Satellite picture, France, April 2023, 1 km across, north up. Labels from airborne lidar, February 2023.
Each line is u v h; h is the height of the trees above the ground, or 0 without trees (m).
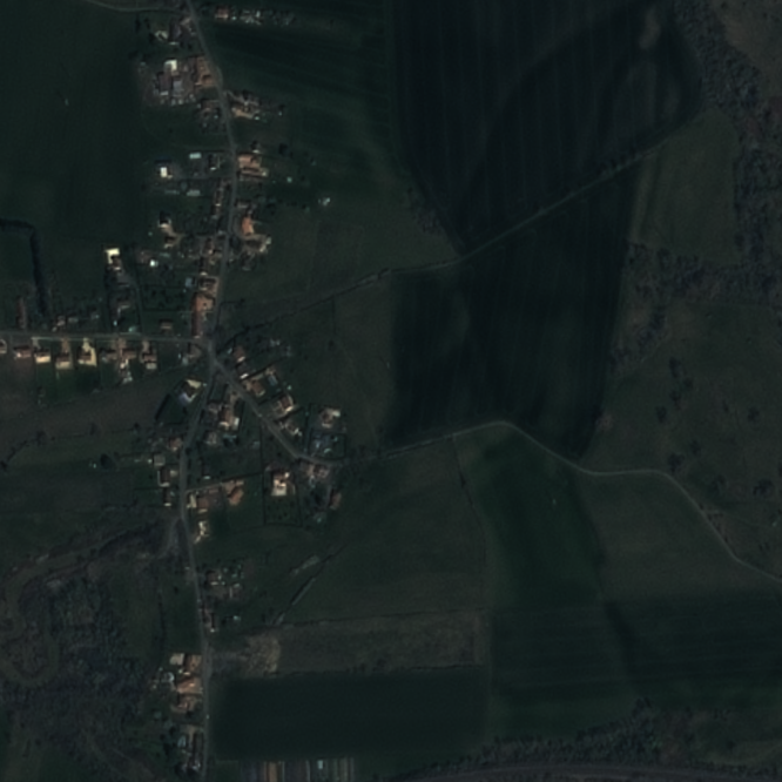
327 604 0
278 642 0
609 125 0
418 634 0
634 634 0
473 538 0
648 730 20
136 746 8
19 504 0
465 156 0
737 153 0
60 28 0
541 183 0
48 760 0
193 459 10
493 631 0
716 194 0
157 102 0
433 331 0
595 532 0
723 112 10
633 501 0
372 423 0
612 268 0
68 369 0
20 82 0
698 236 0
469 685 0
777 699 0
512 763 7
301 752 0
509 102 0
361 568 0
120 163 0
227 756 0
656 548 0
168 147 0
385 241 0
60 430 0
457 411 0
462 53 0
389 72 0
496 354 0
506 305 0
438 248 0
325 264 0
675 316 0
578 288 0
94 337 0
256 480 0
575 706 0
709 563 0
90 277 0
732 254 0
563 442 0
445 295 0
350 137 0
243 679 0
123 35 0
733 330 0
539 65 0
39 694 12
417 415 0
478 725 0
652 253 11
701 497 0
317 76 0
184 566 15
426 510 0
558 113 0
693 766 9
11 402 0
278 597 0
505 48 0
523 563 0
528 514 0
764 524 0
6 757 0
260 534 0
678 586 0
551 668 0
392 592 0
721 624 0
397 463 0
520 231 0
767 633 0
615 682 0
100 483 0
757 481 0
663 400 0
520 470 0
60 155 0
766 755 0
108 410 0
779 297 28
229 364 10
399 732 0
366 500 0
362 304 0
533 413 0
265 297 0
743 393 0
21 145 0
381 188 0
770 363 0
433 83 0
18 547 0
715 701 0
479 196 0
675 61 0
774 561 0
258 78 0
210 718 0
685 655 0
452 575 0
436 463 0
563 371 0
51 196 0
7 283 0
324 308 0
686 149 0
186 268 0
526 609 0
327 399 0
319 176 0
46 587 11
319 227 0
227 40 0
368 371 0
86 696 14
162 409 8
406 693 0
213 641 0
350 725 0
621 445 0
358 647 0
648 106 0
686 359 0
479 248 0
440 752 0
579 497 0
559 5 0
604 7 0
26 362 0
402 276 0
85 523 0
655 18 0
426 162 0
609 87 0
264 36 0
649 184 0
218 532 0
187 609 0
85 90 0
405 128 0
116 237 0
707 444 0
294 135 0
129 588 0
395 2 0
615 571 0
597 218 0
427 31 0
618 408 0
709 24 13
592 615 0
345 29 0
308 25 0
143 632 0
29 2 0
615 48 0
